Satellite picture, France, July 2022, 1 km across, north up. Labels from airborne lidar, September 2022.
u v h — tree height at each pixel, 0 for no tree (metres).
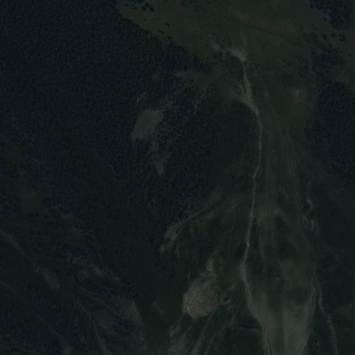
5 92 10
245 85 0
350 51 0
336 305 0
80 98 13
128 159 8
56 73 10
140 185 9
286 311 0
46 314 0
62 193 8
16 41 13
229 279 0
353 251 0
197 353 0
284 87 0
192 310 0
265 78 0
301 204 0
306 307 0
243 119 0
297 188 0
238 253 0
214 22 0
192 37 0
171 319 0
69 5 15
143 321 0
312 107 0
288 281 0
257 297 0
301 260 0
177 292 0
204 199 0
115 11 20
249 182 0
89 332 0
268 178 0
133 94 11
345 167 12
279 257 0
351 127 8
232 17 0
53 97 13
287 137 0
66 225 0
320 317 0
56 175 12
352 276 0
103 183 0
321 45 0
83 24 16
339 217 0
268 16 0
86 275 0
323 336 0
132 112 12
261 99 0
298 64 0
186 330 0
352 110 11
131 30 15
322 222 0
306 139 0
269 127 0
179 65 10
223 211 0
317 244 0
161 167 0
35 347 9
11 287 0
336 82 0
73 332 11
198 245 0
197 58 7
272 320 0
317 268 0
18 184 0
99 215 0
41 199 0
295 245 0
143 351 0
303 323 0
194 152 7
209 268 0
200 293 0
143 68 10
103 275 0
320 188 0
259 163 0
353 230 0
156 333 0
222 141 0
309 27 0
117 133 12
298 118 0
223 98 0
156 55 14
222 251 0
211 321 0
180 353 0
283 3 0
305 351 0
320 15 0
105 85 16
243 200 0
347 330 0
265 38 0
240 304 0
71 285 0
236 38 0
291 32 0
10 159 0
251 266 0
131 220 7
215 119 0
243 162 0
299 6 0
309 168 0
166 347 0
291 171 0
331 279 0
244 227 0
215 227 0
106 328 0
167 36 0
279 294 0
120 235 0
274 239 0
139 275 0
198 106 7
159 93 8
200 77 0
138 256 0
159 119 0
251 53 0
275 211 0
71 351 0
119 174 8
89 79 12
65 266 0
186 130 7
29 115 13
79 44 7
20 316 0
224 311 0
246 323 0
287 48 0
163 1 0
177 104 8
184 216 10
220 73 0
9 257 0
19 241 0
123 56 19
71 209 11
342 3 6
